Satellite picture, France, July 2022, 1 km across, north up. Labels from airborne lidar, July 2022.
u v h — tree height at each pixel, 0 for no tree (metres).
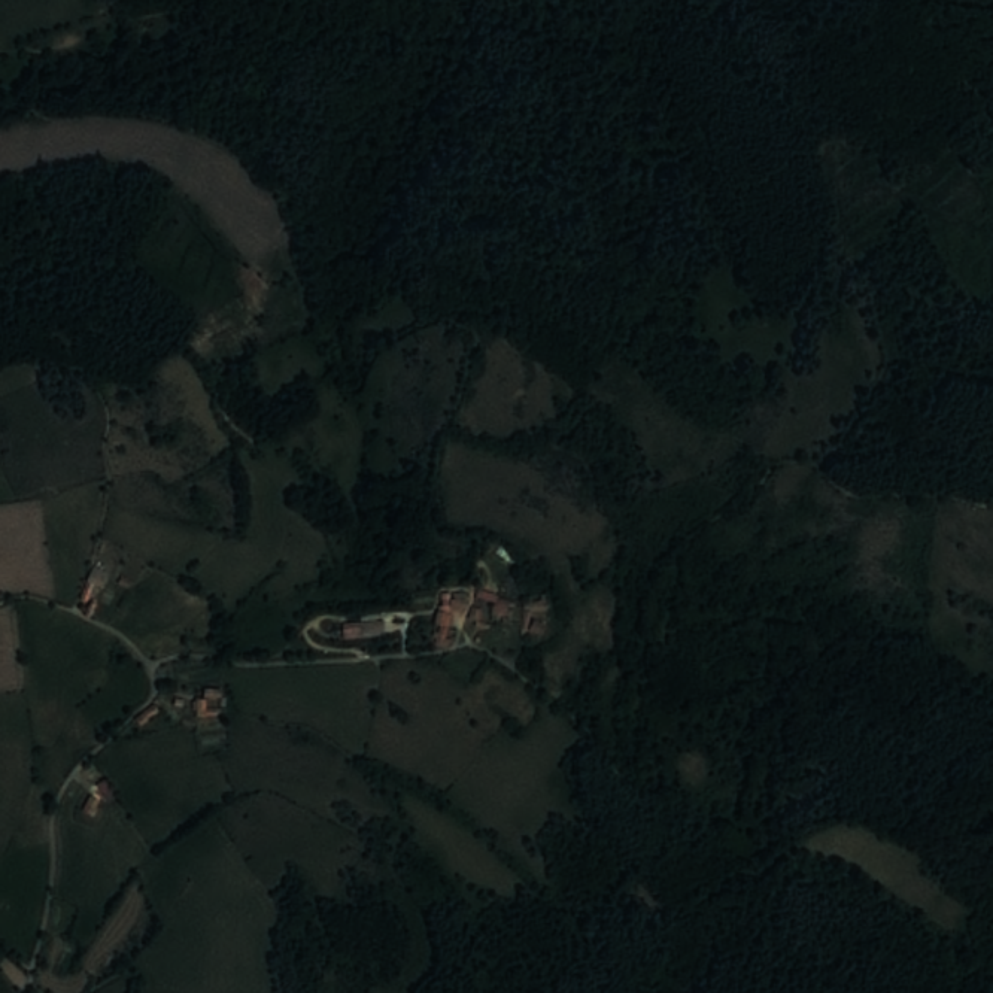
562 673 0
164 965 0
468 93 32
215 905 0
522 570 14
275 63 16
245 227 0
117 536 0
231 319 0
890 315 9
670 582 9
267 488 0
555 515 0
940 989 19
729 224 14
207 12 27
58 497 0
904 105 28
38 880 0
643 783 9
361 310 20
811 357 21
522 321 10
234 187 0
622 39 10
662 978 21
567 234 39
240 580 0
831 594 7
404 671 0
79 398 9
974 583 0
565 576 0
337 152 22
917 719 20
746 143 20
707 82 16
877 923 17
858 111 21
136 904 0
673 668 13
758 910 19
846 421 14
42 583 0
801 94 17
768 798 9
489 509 0
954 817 29
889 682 28
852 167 0
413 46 20
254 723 0
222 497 0
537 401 0
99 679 0
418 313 10
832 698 13
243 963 0
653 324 22
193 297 0
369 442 5
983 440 12
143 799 0
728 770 7
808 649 37
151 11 6
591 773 26
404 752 0
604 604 0
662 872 18
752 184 14
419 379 0
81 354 10
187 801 0
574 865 9
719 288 0
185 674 0
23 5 0
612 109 21
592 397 8
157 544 0
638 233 29
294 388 8
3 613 0
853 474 22
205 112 13
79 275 20
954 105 28
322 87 20
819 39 26
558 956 15
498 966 12
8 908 0
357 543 9
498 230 33
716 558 13
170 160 0
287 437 17
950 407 30
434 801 8
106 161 23
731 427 6
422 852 6
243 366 25
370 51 21
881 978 17
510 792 0
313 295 26
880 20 20
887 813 16
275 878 0
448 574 14
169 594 0
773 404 0
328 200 24
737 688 18
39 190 13
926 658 24
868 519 0
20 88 20
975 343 29
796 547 14
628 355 17
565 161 24
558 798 0
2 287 9
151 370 8
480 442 13
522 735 10
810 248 18
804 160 16
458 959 10
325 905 14
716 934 26
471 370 7
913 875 0
